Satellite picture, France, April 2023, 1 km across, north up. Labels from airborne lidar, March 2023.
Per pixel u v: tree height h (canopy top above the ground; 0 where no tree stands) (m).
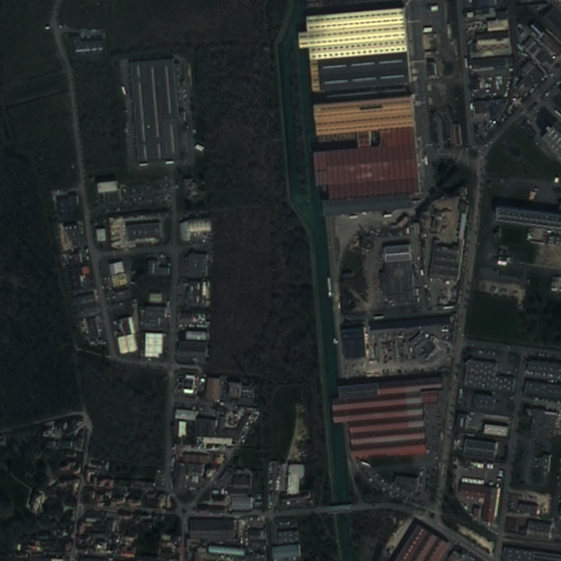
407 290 0
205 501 0
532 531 0
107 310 0
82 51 0
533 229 0
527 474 0
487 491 0
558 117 0
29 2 0
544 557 0
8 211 19
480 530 0
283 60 0
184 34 0
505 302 0
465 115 0
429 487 0
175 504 7
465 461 0
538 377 0
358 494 0
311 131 0
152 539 10
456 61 0
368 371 0
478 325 0
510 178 0
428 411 0
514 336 0
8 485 0
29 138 0
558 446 0
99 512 0
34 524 20
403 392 0
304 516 0
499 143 0
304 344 11
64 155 0
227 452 0
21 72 0
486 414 0
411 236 0
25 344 24
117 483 9
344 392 0
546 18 0
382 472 0
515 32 0
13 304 31
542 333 0
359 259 0
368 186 0
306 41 0
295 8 0
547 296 0
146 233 0
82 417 0
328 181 0
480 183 0
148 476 0
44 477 21
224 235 0
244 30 0
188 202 8
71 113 0
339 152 0
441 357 0
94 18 0
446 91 0
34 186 24
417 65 0
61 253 8
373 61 0
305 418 0
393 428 0
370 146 0
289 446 0
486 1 0
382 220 0
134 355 0
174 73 0
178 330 0
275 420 0
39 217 22
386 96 0
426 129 0
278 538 0
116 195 0
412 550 0
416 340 0
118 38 0
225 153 0
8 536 22
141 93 0
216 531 0
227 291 0
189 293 0
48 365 24
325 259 0
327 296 0
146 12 0
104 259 0
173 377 0
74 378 24
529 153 0
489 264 0
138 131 0
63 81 0
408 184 0
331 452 0
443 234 0
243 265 0
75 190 0
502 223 0
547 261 0
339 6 0
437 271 0
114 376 0
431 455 0
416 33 0
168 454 0
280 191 10
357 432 0
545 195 0
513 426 0
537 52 0
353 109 0
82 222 0
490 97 0
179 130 0
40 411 22
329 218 0
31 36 0
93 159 0
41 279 21
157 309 0
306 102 0
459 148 0
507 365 0
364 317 0
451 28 0
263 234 0
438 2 0
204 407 0
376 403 0
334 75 0
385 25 0
